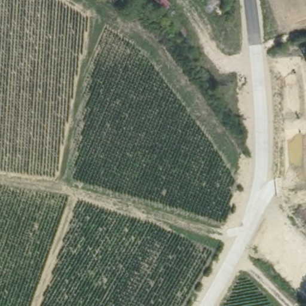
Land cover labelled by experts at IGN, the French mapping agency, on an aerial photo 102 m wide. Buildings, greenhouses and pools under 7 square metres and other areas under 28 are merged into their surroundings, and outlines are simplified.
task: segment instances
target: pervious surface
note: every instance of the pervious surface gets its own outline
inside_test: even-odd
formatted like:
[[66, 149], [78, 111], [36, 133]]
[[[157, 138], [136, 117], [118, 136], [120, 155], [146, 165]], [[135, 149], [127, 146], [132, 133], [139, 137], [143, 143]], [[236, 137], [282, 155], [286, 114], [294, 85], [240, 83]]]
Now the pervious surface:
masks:
[[[262, 284], [281, 306], [306, 306], [306, 203], [296, 204], [293, 213], [296, 215], [296, 225], [292, 226], [271, 198], [275, 192], [280, 194], [281, 186], [289, 186], [289, 190], [293, 192], [306, 190], [306, 61], [301, 49], [296, 45], [290, 45], [279, 56], [268, 55], [267, 50], [274, 41], [270, 39], [265, 42], [251, 45], [247, 41], [244, 0], [239, 0], [240, 11], [241, 49], [238, 54], [228, 56], [216, 48], [216, 43], [209, 37], [212, 27], [209, 20], [201, 20], [198, 17], [195, 7], [189, 4], [190, 0], [177, 0], [177, 4], [183, 6], [185, 16], [200, 38], [204, 54], [215, 67], [216, 68], [220, 73], [237, 73], [239, 114], [243, 116], [246, 130], [246, 146], [250, 149], [251, 157], [240, 155], [238, 175], [234, 178], [243, 186], [243, 191], [234, 192], [232, 195], [229, 204], [235, 206], [234, 213], [228, 215], [225, 225], [220, 228], [194, 224], [163, 212], [145, 214], [136, 209], [131, 202], [120, 203], [117, 198], [69, 188], [59, 177], [69, 128], [73, 123], [79, 81], [79, 76], [76, 75], [73, 98], [69, 103], [69, 118], [65, 124], [65, 136], [60, 146], [59, 167], [55, 176], [0, 171], [0, 185], [7, 185], [10, 190], [14, 190], [14, 186], [32, 189], [33, 195], [37, 190], [43, 190], [68, 196], [65, 212], [50, 247], [47, 263], [31, 306], [41, 306], [44, 290], [50, 284], [63, 237], [69, 229], [69, 221], [73, 218], [74, 207], [78, 201], [152, 222], [167, 232], [171, 231], [171, 225], [176, 225], [204, 237], [221, 240], [224, 247], [218, 261], [213, 263], [212, 273], [203, 277], [201, 290], [191, 306], [220, 306], [225, 296], [229, 295], [228, 288], [233, 286], [234, 279], [240, 271], [246, 271], [252, 279]], [[286, 80], [283, 112], [296, 111], [296, 121], [284, 122], [284, 131], [277, 141], [281, 146], [280, 157], [284, 157], [284, 176], [275, 179], [270, 170], [273, 165], [274, 134], [270, 69], [280, 72]], [[304, 137], [304, 152], [300, 163], [292, 166], [289, 164], [288, 145], [296, 134]], [[277, 273], [288, 281], [290, 286], [298, 289], [296, 302], [288, 299], [253, 265], [249, 257], [262, 258], [273, 264]]]

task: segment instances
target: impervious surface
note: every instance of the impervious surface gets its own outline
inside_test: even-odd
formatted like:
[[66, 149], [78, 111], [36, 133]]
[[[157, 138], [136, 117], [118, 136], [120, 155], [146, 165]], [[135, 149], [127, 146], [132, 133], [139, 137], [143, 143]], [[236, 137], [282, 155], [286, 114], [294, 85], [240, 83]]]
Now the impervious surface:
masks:
[[251, 45], [265, 42], [261, 0], [244, 0], [247, 41]]

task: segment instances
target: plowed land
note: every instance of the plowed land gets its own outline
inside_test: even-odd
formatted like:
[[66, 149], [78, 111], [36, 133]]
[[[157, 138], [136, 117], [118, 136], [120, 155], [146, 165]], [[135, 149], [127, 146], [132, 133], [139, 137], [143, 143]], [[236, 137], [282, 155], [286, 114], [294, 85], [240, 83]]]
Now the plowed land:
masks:
[[268, 0], [273, 8], [277, 30], [281, 32], [306, 29], [306, 0]]

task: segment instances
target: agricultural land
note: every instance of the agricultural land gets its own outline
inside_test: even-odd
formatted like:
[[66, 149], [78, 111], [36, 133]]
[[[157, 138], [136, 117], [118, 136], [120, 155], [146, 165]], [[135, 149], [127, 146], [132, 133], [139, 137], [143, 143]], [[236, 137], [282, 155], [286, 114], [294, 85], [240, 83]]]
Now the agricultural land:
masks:
[[220, 73], [216, 68], [212, 78], [208, 78], [207, 88], [210, 91], [221, 87], [228, 108], [239, 114], [237, 73]]
[[185, 36], [191, 45], [195, 45], [189, 57], [198, 57], [198, 66], [209, 69], [215, 67], [204, 54], [200, 38], [185, 16], [183, 6], [177, 4], [177, 0], [169, 0], [170, 6], [166, 7], [166, 11], [170, 14], [169, 18], [178, 31], [178, 36]]
[[240, 11], [235, 12], [227, 22], [220, 10], [219, 0], [190, 0], [189, 4], [195, 7], [198, 17], [201, 20], [209, 20], [212, 27], [209, 37], [216, 43], [216, 48], [228, 56], [238, 54], [241, 49]]

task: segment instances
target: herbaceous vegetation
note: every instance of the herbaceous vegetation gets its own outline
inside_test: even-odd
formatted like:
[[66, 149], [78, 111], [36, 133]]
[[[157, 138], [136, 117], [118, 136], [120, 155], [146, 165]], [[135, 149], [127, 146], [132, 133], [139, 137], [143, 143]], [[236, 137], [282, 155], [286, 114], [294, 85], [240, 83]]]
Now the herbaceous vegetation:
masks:
[[293, 192], [289, 190], [289, 186], [281, 186], [280, 194], [275, 192], [271, 198], [292, 226], [296, 225], [296, 215], [293, 213], [296, 204], [306, 203], [306, 190]]
[[277, 141], [284, 131], [284, 122], [296, 121], [296, 111], [283, 112], [286, 80], [280, 72], [270, 69], [274, 134], [273, 165], [270, 170], [275, 179], [284, 176], [284, 157], [280, 157], [281, 146]]
[[277, 30], [273, 8], [268, 0], [261, 0], [265, 42], [270, 39], [274, 41], [281, 32]]
[[222, 126], [200, 90], [189, 81], [165, 45], [159, 43], [153, 32], [143, 29], [139, 20], [122, 20], [111, 4], [111, 1], [115, 0], [82, 0], [82, 7], [94, 10], [100, 16], [100, 22], [94, 24], [94, 29], [88, 36], [87, 55], [92, 56], [94, 45], [99, 45], [99, 39], [104, 39], [109, 31], [134, 44], [140, 51], [141, 59], [146, 57], [165, 85], [175, 93], [180, 104], [212, 143], [214, 151], [220, 155], [234, 178], [238, 175], [240, 155], [251, 157], [250, 149], [246, 146], [246, 130], [243, 135], [237, 136]]
[[298, 289], [290, 286], [288, 281], [277, 273], [273, 264], [262, 258], [249, 257], [253, 265], [288, 299], [296, 302]]

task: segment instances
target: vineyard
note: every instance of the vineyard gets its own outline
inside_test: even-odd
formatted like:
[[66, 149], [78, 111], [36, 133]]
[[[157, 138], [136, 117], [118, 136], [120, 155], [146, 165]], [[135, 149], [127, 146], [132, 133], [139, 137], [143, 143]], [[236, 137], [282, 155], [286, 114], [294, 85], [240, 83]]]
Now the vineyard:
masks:
[[246, 271], [240, 271], [234, 279], [233, 286], [228, 288], [229, 295], [225, 296], [220, 306], [281, 306], [262, 284], [252, 279]]
[[0, 306], [31, 306], [47, 263], [50, 247], [65, 212], [68, 196], [43, 190], [37, 190], [33, 195], [32, 189], [14, 186], [14, 190], [10, 190], [7, 185], [0, 185]]
[[234, 178], [220, 155], [214, 151], [212, 143], [180, 104], [175, 93], [165, 85], [146, 57], [141, 59], [140, 51], [134, 44], [109, 31], [104, 39], [99, 39], [99, 45], [94, 45], [92, 56], [87, 55], [88, 36], [94, 29], [94, 24], [100, 22], [100, 16], [94, 10], [82, 7], [82, 0], [0, 0], [0, 171], [55, 176], [59, 167], [60, 146], [65, 136], [65, 124], [69, 118], [69, 103], [73, 98], [76, 75], [79, 76], [79, 81], [73, 123], [69, 128], [59, 177], [69, 188], [117, 198], [120, 203], [131, 202], [136, 209], [145, 214], [163, 212], [194, 224], [220, 228], [225, 225], [228, 215], [234, 213], [235, 206], [229, 204], [232, 195], [234, 192], [243, 191], [243, 186]]
[[213, 263], [218, 261], [224, 247], [221, 240], [204, 237], [176, 225], [171, 225], [171, 231], [167, 232], [152, 222], [78, 201], [74, 207], [73, 218], [69, 221], [69, 229], [63, 237], [50, 284], [44, 290], [41, 306], [191, 306], [201, 290], [203, 277], [212, 273]]

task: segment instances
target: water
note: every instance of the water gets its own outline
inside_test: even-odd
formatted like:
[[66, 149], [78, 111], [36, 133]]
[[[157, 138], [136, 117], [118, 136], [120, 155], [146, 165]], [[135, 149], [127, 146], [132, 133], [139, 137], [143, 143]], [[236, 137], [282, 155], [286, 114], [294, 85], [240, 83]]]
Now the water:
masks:
[[288, 145], [289, 164], [292, 166], [300, 163], [304, 152], [304, 137], [296, 134]]

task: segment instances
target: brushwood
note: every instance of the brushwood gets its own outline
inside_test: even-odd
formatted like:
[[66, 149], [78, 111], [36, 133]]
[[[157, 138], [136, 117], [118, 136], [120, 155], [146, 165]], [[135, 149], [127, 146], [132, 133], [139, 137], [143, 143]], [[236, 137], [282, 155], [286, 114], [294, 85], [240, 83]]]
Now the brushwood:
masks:
[[219, 0], [220, 10], [227, 22], [235, 12], [240, 11], [239, 0]]
[[198, 57], [189, 57], [195, 45], [191, 45], [185, 36], [178, 36], [178, 31], [169, 18], [170, 14], [166, 11], [166, 7], [170, 6], [169, 0], [115, 0], [111, 1], [111, 4], [122, 20], [139, 20], [143, 29], [153, 32], [159, 43], [165, 45], [189, 81], [200, 90], [222, 126], [237, 136], [243, 135], [246, 130], [243, 116], [239, 114], [228, 108], [221, 87], [210, 91], [207, 88], [208, 78], [212, 78], [216, 68], [215, 67], [209, 69], [198, 66]]
[[279, 56], [290, 45], [296, 45], [301, 49], [306, 61], [306, 29], [281, 32], [274, 41], [267, 50], [268, 55]]

